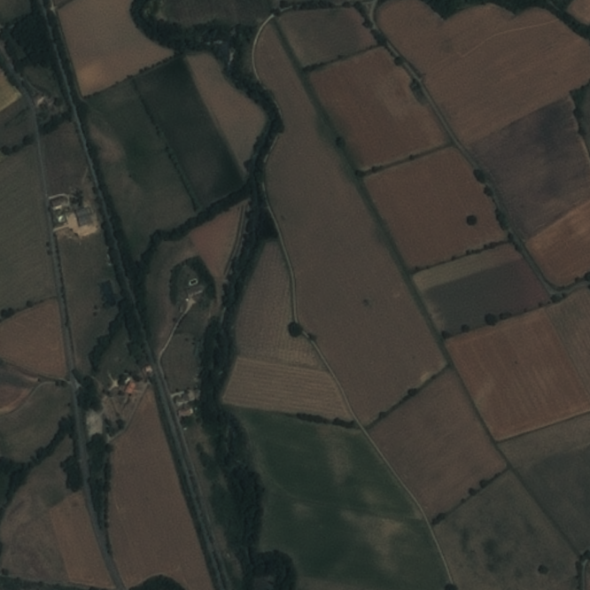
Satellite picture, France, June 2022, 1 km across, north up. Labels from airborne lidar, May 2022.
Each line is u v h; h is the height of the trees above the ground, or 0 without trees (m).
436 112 0
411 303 0
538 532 0
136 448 0
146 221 0
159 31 26
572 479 0
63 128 0
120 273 13
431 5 18
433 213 0
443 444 0
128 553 0
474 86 0
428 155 0
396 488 0
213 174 0
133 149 0
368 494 0
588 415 0
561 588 0
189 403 7
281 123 15
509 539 0
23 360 0
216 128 0
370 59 0
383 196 0
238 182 0
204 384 14
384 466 0
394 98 0
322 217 0
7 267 0
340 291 0
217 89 0
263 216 14
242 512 11
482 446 0
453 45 0
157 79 0
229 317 8
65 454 0
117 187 0
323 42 0
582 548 0
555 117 0
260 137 10
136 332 20
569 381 0
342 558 0
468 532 0
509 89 0
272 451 0
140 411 0
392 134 0
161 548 0
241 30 19
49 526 0
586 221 0
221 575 7
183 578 0
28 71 0
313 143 0
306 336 0
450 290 0
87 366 0
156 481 0
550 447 0
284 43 0
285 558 21
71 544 0
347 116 0
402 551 0
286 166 0
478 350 0
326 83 0
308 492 0
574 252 0
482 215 0
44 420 0
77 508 0
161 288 0
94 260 0
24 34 22
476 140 0
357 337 0
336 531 0
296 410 0
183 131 0
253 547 12
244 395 0
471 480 0
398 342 0
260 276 0
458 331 0
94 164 11
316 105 0
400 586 0
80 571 0
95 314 8
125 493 0
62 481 0
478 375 0
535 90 0
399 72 0
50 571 0
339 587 0
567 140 0
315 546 0
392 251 0
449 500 0
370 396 0
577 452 0
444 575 0
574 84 0
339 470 0
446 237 0
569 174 0
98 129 0
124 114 0
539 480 0
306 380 0
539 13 0
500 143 0
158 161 0
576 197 0
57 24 11
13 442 0
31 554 0
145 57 0
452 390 0
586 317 0
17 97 0
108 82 0
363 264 0
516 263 0
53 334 0
